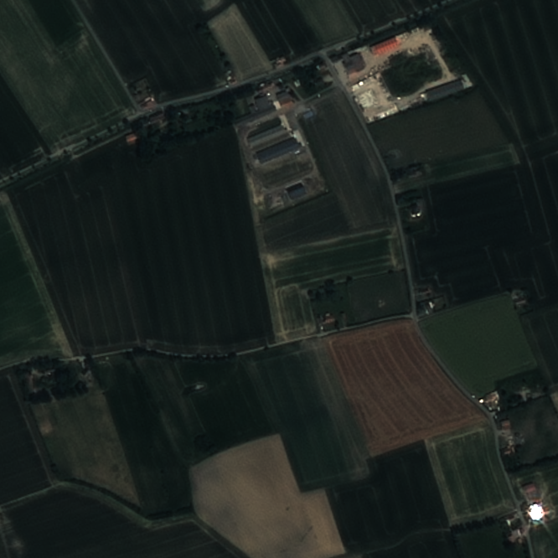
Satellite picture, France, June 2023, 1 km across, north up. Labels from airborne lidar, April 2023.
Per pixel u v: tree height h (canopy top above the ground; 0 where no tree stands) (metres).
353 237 0
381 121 0
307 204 0
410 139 0
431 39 0
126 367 0
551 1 0
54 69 0
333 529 0
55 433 0
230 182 0
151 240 0
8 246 0
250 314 0
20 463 0
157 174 0
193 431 0
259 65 0
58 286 0
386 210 0
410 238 0
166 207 0
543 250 0
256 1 0
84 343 0
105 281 0
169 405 0
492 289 0
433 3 0
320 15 0
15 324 0
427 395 0
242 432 0
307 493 0
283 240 0
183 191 0
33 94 0
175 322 0
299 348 0
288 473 0
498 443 0
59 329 0
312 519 0
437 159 0
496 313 0
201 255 0
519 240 0
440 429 0
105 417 0
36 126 0
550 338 0
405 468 0
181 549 0
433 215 0
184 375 0
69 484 0
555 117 0
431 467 0
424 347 0
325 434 0
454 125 0
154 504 0
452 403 0
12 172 0
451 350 0
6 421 0
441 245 0
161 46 0
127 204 0
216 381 0
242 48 0
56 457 0
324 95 0
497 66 0
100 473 0
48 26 0
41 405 0
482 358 0
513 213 0
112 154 0
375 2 0
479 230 0
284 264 0
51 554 0
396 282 0
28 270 0
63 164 0
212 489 0
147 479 0
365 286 0
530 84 0
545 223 0
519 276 0
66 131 0
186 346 0
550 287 0
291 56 0
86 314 0
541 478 0
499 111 0
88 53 0
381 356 0
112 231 0
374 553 0
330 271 0
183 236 0
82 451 0
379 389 0
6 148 0
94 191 0
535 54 0
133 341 0
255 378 0
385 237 0
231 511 0
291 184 0
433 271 0
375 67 0
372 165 0
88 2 0
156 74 0
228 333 0
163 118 7
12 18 0
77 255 0
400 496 0
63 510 0
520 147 0
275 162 0
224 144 0
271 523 0
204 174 0
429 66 0
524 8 0
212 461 0
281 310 0
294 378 0
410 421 0
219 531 0
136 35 0
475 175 0
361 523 0
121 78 0
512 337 0
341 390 0
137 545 0
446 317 0
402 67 0
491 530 0
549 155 0
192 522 0
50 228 0
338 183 0
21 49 0
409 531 0
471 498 0
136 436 0
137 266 0
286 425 0
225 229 0
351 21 0
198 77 0
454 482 0
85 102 0
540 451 0
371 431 0
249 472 0
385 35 0
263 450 0
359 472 0
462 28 0
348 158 0
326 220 0
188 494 0
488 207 0
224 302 0
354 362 0
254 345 0
